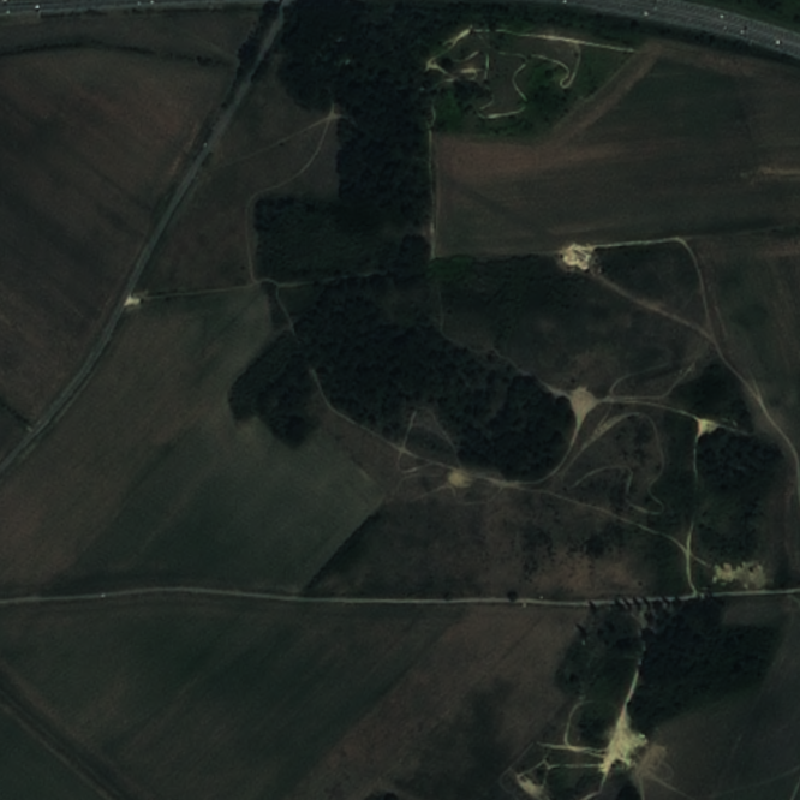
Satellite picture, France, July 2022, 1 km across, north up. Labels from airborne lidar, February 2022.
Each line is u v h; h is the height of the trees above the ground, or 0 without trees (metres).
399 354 17
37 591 0
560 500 0
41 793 0
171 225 0
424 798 0
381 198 19
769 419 0
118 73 0
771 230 0
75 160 0
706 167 0
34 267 0
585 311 0
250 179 0
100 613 0
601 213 0
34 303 0
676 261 0
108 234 0
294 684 0
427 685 0
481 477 0
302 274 6
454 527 0
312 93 15
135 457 0
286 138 0
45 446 0
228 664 0
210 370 0
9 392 0
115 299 0
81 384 0
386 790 0
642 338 0
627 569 0
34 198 0
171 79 0
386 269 13
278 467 0
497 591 0
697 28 0
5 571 0
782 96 0
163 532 0
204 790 0
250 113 0
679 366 0
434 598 0
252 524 0
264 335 0
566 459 0
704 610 17
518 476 10
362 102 12
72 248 0
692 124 0
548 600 0
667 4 0
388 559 0
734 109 0
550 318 0
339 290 13
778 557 0
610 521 0
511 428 8
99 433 0
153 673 0
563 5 0
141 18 0
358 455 0
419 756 0
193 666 0
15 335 0
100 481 0
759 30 0
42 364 0
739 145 0
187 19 0
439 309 0
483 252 0
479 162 0
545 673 0
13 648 0
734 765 0
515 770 0
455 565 0
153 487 0
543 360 0
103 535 0
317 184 0
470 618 0
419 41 11
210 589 0
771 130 0
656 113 0
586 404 0
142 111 0
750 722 0
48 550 0
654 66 0
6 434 0
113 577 0
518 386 13
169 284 0
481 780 0
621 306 0
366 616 0
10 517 0
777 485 0
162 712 0
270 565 0
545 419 13
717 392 0
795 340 0
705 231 0
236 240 0
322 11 18
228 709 0
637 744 0
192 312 0
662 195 0
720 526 0
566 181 0
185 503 0
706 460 10
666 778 0
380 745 0
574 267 0
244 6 0
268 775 0
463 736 0
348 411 11
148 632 0
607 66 0
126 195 0
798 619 0
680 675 6
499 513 0
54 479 0
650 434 0
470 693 0
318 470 0
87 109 0
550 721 0
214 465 0
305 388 14
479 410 15
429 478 0
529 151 0
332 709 0
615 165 0
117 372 0
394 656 0
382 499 0
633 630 0
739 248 0
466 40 0
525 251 0
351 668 0
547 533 0
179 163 0
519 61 0
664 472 0
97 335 0
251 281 0
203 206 0
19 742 0
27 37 0
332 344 14
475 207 0
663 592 0
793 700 0
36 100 0
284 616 0
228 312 0
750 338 0
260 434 0
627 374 0
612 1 0
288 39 11
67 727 0
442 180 0
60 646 0
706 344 0
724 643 6
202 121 0
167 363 0
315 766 0
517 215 0
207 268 0
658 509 0
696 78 0
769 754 0
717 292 0
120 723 0
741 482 12
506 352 0
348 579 0
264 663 0
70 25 0
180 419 0
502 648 0
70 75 0
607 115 0
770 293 0
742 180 0
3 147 0
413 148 20
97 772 0
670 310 0
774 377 0
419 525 0
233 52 0
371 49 16
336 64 13
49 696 0
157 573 0
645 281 0
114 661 0
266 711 0
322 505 0
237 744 0
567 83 0
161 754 0
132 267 0
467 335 0
